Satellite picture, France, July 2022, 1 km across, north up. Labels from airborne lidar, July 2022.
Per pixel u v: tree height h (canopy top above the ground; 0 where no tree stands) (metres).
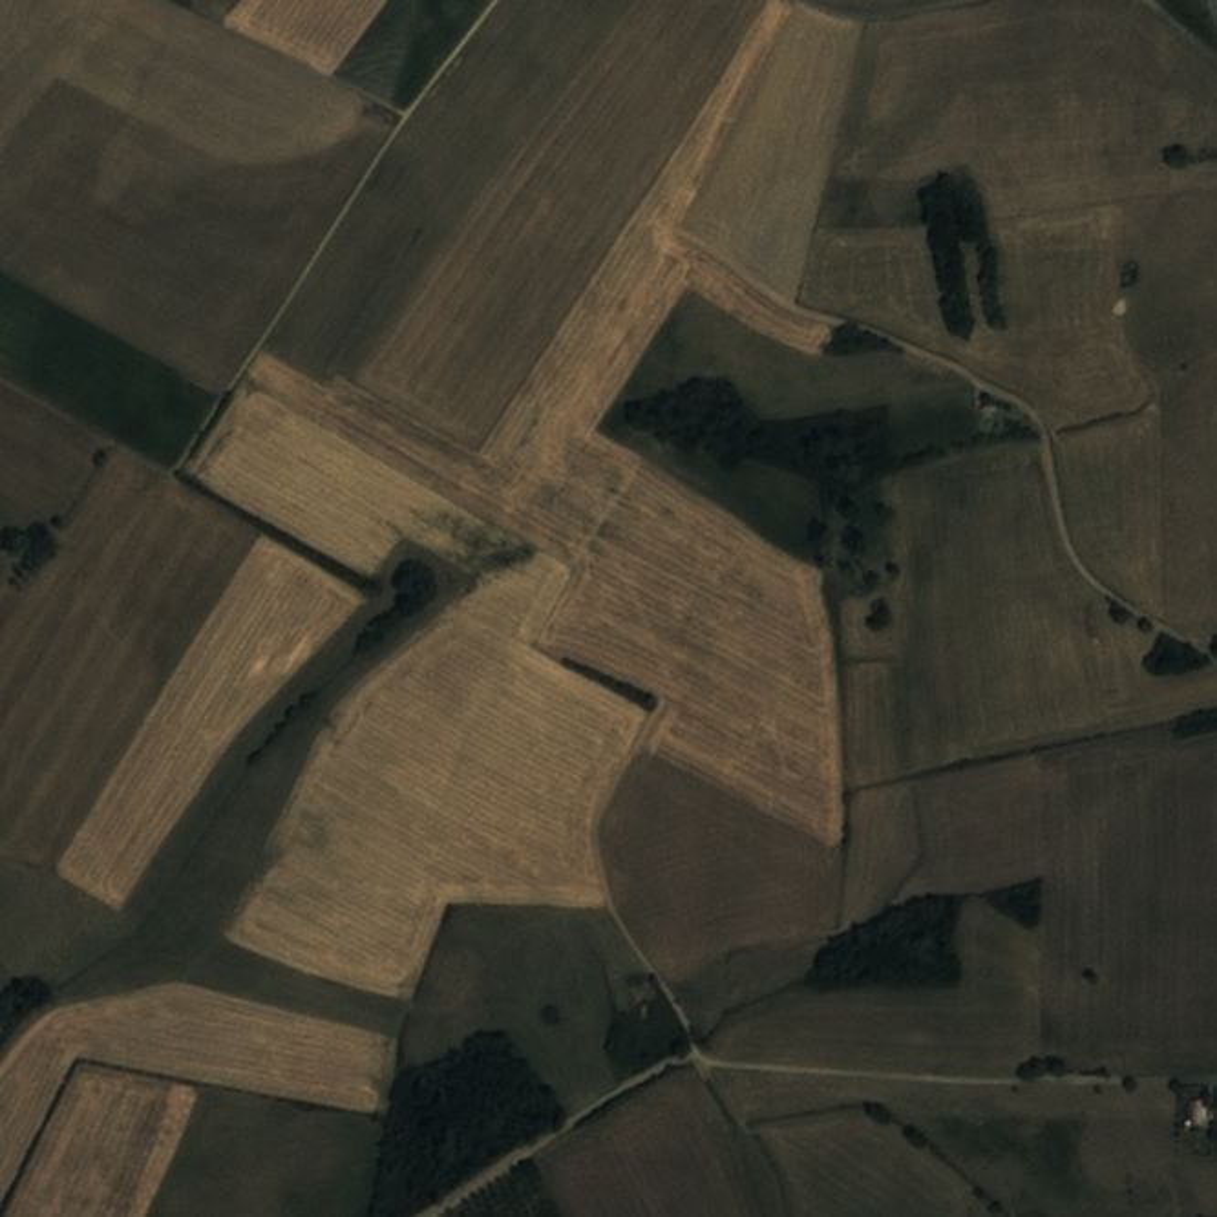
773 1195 0
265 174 0
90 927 0
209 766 0
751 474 0
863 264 0
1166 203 0
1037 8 0
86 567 0
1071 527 0
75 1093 0
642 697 8
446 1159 23
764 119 0
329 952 0
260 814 0
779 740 0
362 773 0
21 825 0
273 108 0
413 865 0
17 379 0
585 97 0
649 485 0
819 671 0
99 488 0
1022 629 0
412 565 11
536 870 0
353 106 0
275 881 0
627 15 0
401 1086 6
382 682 0
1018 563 0
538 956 0
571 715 0
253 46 0
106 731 0
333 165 0
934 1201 0
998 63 0
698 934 0
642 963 0
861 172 0
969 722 0
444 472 0
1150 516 0
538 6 0
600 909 0
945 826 0
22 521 0
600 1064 0
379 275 0
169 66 0
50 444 0
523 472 0
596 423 0
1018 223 0
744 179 0
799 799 0
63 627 0
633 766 0
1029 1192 0
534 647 0
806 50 0
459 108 0
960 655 0
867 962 10
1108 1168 0
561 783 0
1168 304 0
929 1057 0
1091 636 0
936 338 0
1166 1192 0
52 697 0
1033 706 0
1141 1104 0
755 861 0
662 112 0
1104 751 0
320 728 0
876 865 0
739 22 0
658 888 0
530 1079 17
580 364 0
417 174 0
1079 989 0
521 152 0
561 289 0
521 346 0
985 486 0
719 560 0
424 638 0
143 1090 0
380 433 0
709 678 0
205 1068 0
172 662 0
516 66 0
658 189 0
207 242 0
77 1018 0
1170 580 0
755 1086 0
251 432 0
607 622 0
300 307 0
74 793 0
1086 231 0
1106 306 0
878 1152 0
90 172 0
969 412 0
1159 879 0
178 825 0
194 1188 0
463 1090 22
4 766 0
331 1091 0
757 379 0
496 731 0
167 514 0
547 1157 0
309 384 0
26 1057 0
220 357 0
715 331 0
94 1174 0
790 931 0
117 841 0
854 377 0
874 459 7
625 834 0
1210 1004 0
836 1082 0
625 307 0
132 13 0
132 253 0
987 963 0
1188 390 0
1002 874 0
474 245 0
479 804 0
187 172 0
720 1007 0
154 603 0
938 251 15
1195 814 0
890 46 0
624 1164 0
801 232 0
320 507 0
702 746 0
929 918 14
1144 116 0
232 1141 0
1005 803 0
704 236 0
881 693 0
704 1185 0
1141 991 0
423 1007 0
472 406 0
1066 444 0
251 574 0
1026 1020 0
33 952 0
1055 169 0
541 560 0
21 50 0
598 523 0
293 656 0
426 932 0
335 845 0
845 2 0
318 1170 0
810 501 0
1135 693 0
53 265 0
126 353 0
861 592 0
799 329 0
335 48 0
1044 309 0
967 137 0
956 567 0
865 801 0
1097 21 0
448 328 0
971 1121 0
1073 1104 0
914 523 0
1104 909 0
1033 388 0
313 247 0
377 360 0
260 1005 0
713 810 0
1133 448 0
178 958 0
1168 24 0
